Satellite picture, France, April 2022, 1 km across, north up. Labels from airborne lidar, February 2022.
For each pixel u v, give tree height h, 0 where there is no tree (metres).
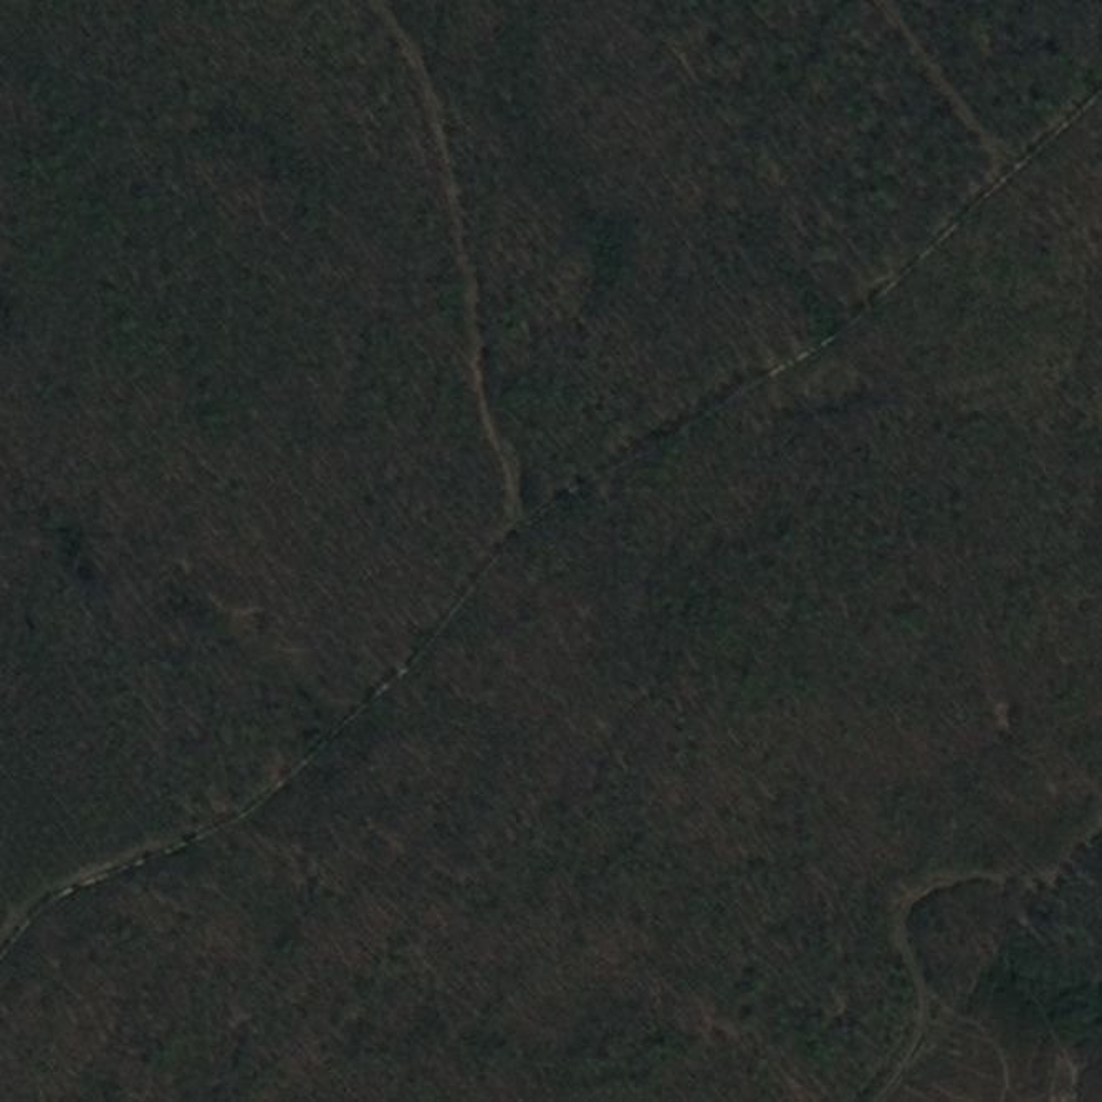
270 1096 20
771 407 24
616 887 23
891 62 29
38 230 21
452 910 24
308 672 0
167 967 15
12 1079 15
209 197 27
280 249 26
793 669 22
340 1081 17
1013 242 0
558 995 25
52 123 25
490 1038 19
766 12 27
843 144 31
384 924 0
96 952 19
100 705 17
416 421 0
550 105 25
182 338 25
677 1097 20
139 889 19
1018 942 24
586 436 27
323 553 24
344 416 0
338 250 26
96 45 24
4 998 16
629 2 0
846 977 22
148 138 28
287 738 27
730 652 19
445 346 25
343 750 19
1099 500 29
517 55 26
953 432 22
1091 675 14
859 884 23
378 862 21
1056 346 0
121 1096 21
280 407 0
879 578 20
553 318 29
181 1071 19
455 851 25
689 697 20
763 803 24
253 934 19
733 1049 23
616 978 16
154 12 22
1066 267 0
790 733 21
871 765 0
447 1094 27
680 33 26
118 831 0
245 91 25
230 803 25
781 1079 19
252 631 0
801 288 27
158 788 20
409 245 25
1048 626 21
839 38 28
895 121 31
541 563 22
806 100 28
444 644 23
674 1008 23
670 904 25
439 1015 23
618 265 26
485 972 25
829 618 20
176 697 0
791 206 28
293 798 20
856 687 18
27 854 11
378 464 0
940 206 27
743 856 23
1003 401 0
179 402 0
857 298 26
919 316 0
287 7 25
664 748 23
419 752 22
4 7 24
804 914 25
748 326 30
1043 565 23
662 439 19
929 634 0
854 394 0
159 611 30
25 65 25
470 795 19
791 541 21
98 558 26
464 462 0
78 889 9
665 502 25
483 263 24
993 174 28
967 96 26
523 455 22
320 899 20
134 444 0
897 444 25
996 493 24
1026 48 31
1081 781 0
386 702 20
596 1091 21
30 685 11
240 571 25
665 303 26
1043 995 25
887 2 0
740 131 26
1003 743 11
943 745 20
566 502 19
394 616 25
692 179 26
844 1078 20
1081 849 0
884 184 32
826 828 24
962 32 31
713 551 17
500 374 28
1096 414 0
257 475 25
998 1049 0
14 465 26
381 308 27
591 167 26
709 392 27
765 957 23
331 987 18
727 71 28
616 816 18
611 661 15
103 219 25
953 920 20
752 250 24
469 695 0
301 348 25
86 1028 15
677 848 22
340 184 24
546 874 0
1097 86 14
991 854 13
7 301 26
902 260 29
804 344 26
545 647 24
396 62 25
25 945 16
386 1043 26
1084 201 21
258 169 24
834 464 21
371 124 22
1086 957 30
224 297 26
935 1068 0
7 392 0
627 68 22
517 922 21
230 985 18
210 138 24
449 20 25
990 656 0
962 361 0
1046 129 26
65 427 0
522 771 21
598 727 21
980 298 0
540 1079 17
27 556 25
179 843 0
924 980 0
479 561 25
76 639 19
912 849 0
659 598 22
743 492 19
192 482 0
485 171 29
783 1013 21
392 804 19
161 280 23
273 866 25
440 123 0
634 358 25
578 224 28
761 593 23
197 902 24
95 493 0
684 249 28
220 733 28
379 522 22
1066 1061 0
